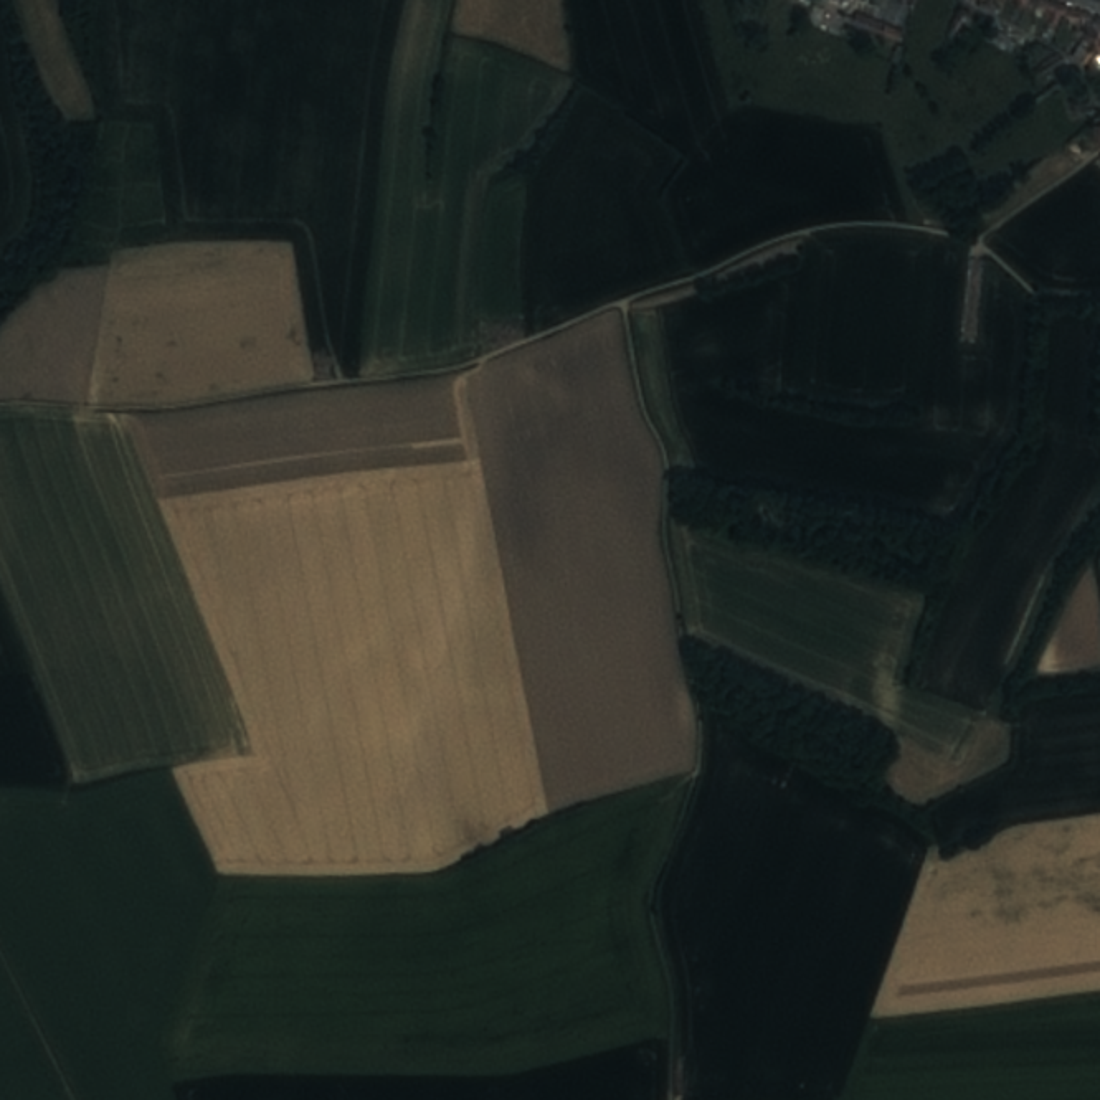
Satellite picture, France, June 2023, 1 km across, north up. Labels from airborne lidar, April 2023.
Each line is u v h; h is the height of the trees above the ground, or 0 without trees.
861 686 0
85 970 0
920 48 0
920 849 0
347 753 0
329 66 0
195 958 0
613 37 0
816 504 17
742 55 0
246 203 0
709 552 0
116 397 0
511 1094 0
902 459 0
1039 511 0
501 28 0
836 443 0
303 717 0
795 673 0
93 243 0
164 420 0
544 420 0
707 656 13
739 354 0
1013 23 0
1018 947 0
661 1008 0
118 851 0
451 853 0
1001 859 0
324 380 0
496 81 0
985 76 0
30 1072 0
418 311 0
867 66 0
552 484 0
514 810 0
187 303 0
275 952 0
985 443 0
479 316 0
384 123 0
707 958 0
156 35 0
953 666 0
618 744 0
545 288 0
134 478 0
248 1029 0
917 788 0
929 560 18
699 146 0
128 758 0
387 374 0
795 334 0
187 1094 0
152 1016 0
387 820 0
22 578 0
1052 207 0
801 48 0
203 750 0
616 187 0
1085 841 0
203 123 0
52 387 0
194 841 0
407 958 0
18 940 0
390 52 0
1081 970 0
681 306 0
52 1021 0
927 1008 0
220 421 0
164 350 0
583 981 0
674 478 13
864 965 0
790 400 14
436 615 0
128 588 0
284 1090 0
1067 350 0
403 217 0
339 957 0
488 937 0
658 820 0
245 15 0
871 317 0
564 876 0
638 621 0
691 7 0
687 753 0
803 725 16
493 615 0
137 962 0
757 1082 0
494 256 0
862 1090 0
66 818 0
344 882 0
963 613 0
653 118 0
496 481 0
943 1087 0
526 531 0
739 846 0
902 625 0
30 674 0
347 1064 0
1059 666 0
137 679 0
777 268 12
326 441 0
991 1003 0
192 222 0
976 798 0
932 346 0
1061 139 0
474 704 0
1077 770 0
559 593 0
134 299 0
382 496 0
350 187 0
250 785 0
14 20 8
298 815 0
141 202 0
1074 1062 0
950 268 0
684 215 0
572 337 0
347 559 0
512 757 0
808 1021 0
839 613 0
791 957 0
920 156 0
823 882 0
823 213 0
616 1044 0
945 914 0
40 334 0
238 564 0
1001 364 0
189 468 0
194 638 0
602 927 0
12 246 7
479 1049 0
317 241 0
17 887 0
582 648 0
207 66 0
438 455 0
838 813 0
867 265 0
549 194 0
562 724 0
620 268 0
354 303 0
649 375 0
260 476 0
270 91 0
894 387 0
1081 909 0
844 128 0
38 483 0
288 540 0
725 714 15
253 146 0
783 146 0
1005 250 0
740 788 0
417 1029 0
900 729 0
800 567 0
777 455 0
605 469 0
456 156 0
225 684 0
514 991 0
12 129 0
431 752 0
